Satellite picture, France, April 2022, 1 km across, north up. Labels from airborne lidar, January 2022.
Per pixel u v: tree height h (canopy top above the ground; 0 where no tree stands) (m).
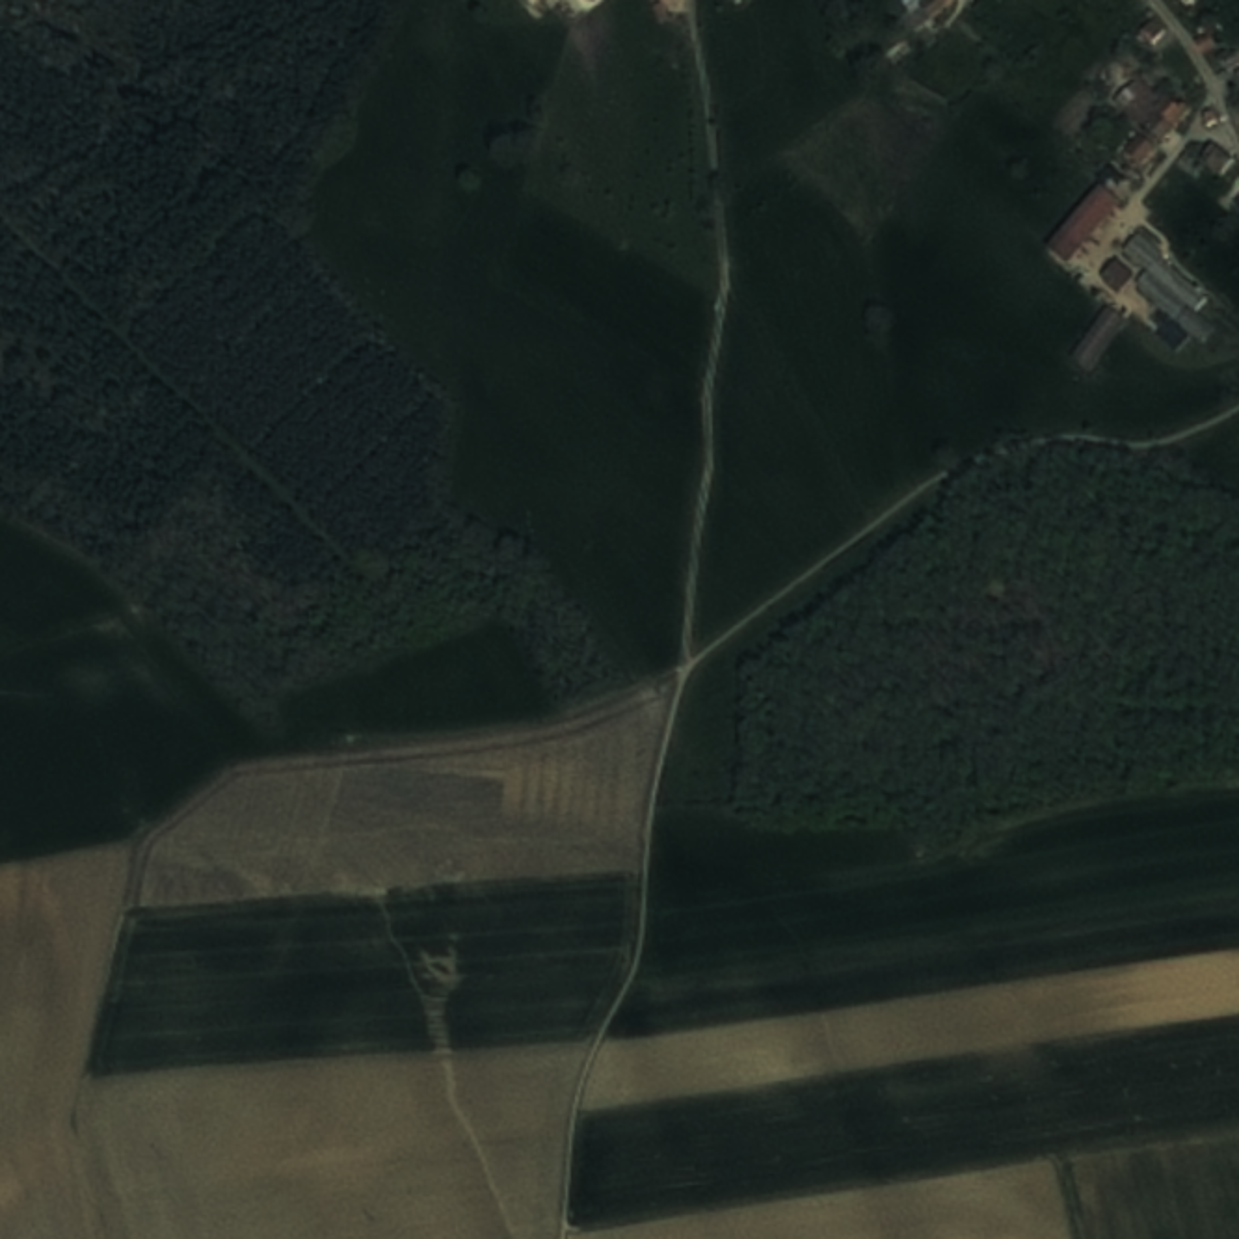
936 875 0
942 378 0
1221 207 0
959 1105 0
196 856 0
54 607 0
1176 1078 0
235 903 0
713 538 0
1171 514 24
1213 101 0
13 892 0
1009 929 0
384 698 0
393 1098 0
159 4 16
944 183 0
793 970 0
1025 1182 0
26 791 0
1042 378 0
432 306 0
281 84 22
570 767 0
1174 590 28
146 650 0
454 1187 0
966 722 26
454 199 0
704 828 0
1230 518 22
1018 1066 0
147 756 0
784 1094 0
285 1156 0
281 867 0
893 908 0
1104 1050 0
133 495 23
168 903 0
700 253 0
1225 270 0
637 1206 0
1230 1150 0
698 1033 0
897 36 10
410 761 0
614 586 0
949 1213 0
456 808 0
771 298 0
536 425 0
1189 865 0
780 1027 0
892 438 0
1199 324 0
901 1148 0
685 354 0
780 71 0
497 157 16
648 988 0
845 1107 0
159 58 14
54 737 0
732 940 0
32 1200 0
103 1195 0
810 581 0
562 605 14
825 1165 0
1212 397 0
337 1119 0
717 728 0
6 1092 0
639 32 0
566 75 0
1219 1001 0
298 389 19
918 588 25
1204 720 24
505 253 0
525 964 0
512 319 0
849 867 0
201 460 18
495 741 0
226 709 0
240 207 20
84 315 22
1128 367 0
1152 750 25
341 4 20
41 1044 0
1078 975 0
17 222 17
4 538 0
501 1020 0
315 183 10
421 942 0
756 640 0
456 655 0
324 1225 0
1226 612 26
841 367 0
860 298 0
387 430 19
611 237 0
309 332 18
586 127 0
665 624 0
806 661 24
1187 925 0
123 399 21
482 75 0
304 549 18
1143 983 0
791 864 0
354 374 18
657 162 0
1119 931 0
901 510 0
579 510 0
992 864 0
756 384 0
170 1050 0
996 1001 0
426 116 0
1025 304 0
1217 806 0
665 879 0
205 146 21
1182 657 25
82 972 0
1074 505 25
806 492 0
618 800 0
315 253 12
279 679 20
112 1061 0
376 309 0
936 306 0
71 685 0
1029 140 0
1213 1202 0
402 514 18
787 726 20
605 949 0
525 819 0
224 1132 0
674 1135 0
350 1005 0
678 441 0
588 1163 0
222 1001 0
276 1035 0
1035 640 24
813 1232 0
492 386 0
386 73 0
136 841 0
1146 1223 0
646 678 0
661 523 0
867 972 0
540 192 0
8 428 17
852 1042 0
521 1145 0
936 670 28
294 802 0
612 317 0
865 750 28
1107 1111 0
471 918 0
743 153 0
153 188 25
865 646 26
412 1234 0
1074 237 0
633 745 0
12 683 0
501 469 0
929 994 0
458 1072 0
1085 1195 0
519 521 0
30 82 18
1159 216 0
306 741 0
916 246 0
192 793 0
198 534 21
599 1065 0
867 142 0
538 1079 0
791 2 0
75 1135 0
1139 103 0
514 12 0
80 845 0
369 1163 0
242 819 0
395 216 0
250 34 20
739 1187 0
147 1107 0
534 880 0
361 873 0
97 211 16
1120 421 0
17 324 18
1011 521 25
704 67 0
